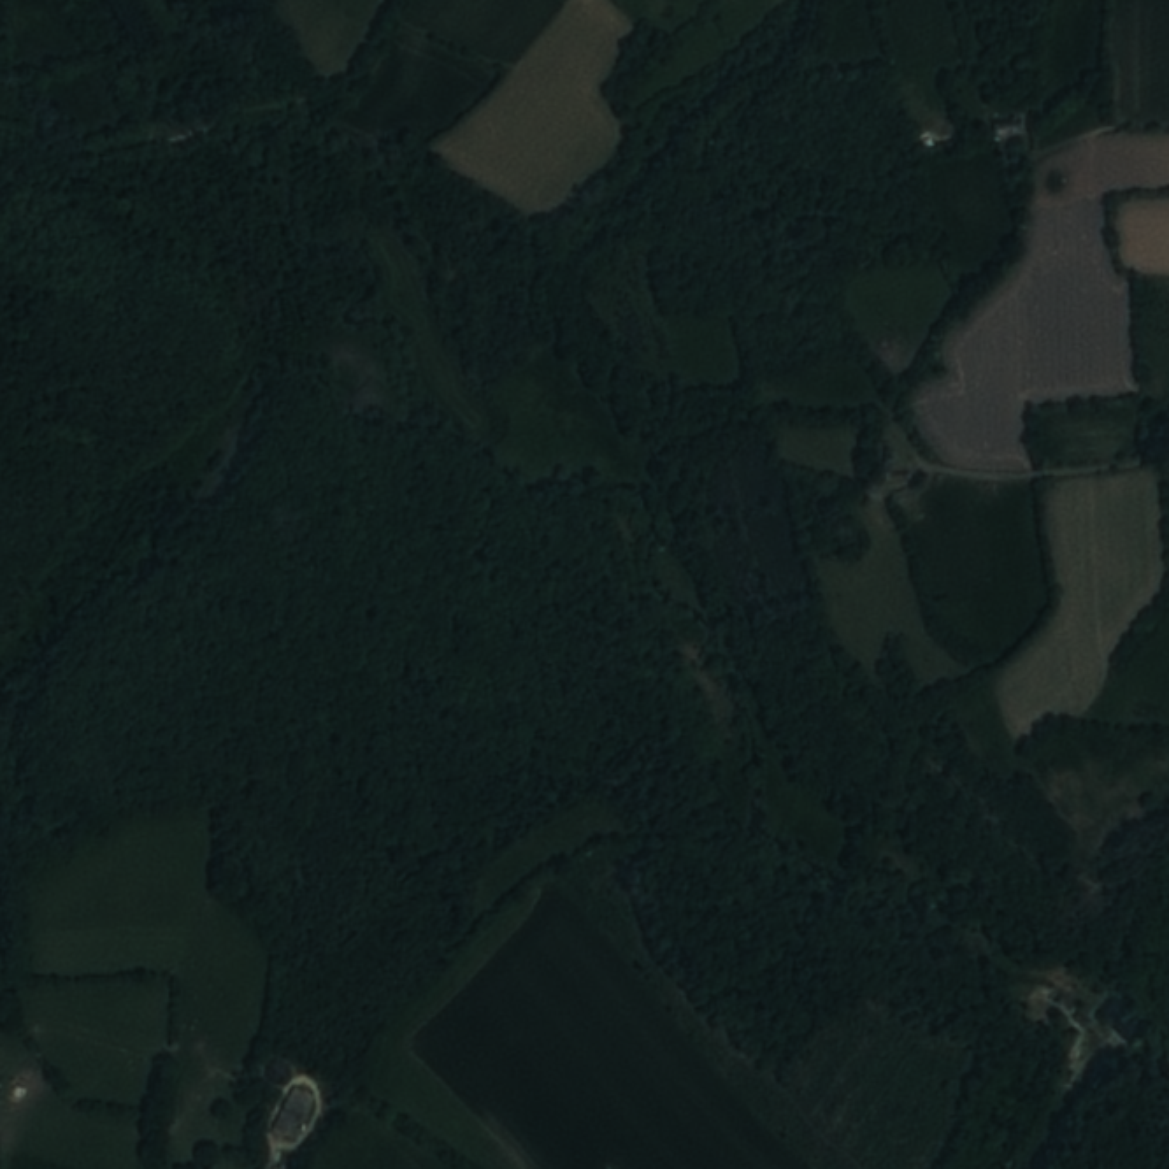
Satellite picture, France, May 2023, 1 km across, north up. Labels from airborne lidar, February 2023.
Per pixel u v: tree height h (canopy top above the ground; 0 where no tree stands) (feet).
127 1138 0
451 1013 0
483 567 70
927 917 104
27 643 56
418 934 26
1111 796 0
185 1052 0
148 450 68
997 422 0
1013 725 0
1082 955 51
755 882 111
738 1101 0
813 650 55
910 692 27
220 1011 0
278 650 66
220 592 71
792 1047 70
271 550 58
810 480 27
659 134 26
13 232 46
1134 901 58
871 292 0
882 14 19
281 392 48
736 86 72
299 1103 0
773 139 70
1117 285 0
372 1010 35
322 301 51
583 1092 0
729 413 53
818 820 0
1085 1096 72
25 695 56
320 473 59
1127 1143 62
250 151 51
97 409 41
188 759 62
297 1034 32
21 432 41
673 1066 0
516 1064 0
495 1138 0
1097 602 0
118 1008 0
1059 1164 68
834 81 52
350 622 60
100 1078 0
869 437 36
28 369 50
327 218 35
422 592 64
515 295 28
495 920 17
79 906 0
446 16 0
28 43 0
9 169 50
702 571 73
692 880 70
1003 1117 71
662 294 58
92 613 62
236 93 68
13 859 80
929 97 0
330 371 54
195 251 27
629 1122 0
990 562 0
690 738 73
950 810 59
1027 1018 34
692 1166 0
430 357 0
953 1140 51
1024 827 53
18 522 48
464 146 0
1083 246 0
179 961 0
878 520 0
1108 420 0
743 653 63
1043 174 0
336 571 63
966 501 0
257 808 71
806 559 45
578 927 0
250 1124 22
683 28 21
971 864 67
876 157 39
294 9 0
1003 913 63
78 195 64
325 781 50
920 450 29
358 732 55
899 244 57
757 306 51
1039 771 0
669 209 64
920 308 0
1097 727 32
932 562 0
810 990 55
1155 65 0
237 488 74
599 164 0
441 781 60
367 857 27
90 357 49
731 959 73
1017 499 0
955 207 0
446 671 60
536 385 0
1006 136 0
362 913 27
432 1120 0
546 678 59
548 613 60
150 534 28
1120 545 0
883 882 47
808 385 0
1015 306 0
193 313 64
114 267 53
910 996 51
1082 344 0
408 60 0
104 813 65
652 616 79
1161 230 0
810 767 70
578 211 63
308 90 50
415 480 51
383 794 67
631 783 74
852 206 60
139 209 54
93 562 62
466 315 39
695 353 0
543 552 55
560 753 58
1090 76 38
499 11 0
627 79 50
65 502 62
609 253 61
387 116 0
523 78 0
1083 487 0
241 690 50
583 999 0
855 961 70
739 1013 73
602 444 0
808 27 62
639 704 69
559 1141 0
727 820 27
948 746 69
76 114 0
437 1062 0
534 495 63
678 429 82
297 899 52
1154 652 0
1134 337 37
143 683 61
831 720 58
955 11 37
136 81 28
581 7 0
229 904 20
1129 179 0
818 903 99
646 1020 0
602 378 63
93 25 25
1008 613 0
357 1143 0
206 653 59
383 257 0
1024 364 0
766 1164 0
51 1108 0
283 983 36
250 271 29
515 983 0
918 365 32
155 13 0
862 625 0
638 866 71
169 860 0
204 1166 39
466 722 76
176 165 27
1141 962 47
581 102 0
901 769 76
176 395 64
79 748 62
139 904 0
